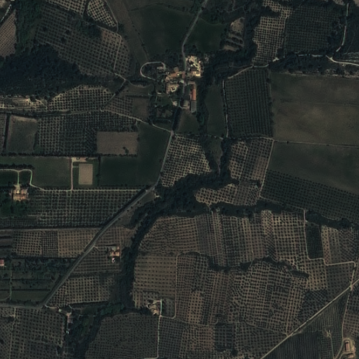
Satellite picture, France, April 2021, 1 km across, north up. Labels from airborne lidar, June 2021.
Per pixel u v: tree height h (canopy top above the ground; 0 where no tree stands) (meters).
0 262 0
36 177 0
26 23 14
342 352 0
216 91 0
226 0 8
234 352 6
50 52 7
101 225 11
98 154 7
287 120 0
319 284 0
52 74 13
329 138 0
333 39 11
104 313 16
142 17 0
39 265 11
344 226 10
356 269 7
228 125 6
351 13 6
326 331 0
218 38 0
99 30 10
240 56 8
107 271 6
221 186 10
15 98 0
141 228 8
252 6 15
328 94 0
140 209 5
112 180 0
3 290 6
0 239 10
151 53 0
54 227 7
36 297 0
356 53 0
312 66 15
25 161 0
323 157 0
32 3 13
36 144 9
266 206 7
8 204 20
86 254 0
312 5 7
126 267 7
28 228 7
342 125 0
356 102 0
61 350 13
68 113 8
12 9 9
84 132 7
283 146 0
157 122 6
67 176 0
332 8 11
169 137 0
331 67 0
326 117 0
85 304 13
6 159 0
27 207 6
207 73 9
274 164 0
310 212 8
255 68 7
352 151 0
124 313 6
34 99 10
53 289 0
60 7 8
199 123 16
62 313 7
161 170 0
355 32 0
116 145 0
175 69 0
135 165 0
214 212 9
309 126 0
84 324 22
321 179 0
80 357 6
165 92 9
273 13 7
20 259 8
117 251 6
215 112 0
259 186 13
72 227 10
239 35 11
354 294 6
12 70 8
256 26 7
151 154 0
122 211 9
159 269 0
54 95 14
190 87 10
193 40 0
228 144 13
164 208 8
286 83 0
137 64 7
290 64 13
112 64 6
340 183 0
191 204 12
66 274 13
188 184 7
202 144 6
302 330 0
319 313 0
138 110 0
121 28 7
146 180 0
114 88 0
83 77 13
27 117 9
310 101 0
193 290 6
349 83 0
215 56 8
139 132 19
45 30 15
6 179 0
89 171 0
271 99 12
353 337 0
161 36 0
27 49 10
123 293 7
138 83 12
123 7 0
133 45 0
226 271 6
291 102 0
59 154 6
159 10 0
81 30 10
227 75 9
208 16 7
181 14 0
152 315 11
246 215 0
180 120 11
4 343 12
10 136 0
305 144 0
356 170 0
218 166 11
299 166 0
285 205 7
